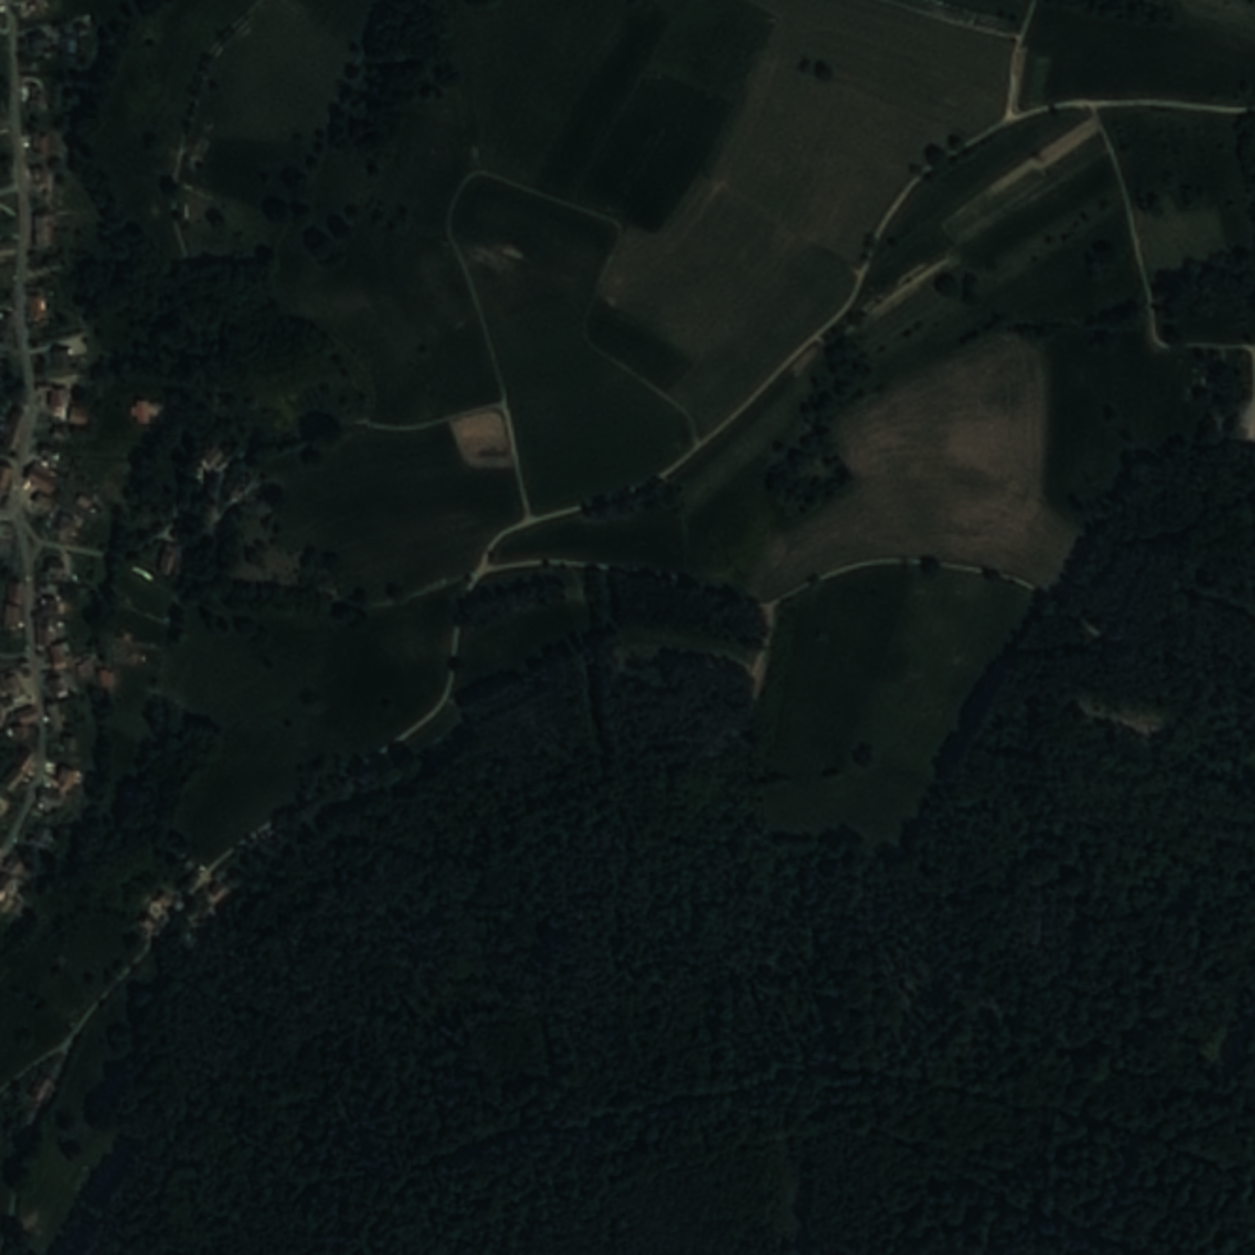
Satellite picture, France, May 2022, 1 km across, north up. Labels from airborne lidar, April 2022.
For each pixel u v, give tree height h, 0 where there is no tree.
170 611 0
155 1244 23
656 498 13
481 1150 24
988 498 0
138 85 0
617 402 0
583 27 0
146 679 0
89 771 0
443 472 0
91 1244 26
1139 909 28
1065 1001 31
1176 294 29
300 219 14
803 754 0
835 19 0
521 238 0
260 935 25
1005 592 0
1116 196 0
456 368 0
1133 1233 28
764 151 0
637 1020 12
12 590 0
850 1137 18
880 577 0
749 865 24
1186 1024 31
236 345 15
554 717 21
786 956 22
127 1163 24
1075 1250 34
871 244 9
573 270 0
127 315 9
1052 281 0
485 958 27
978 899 27
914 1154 14
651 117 0
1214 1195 31
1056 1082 19
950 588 0
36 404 0
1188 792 21
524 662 0
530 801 20
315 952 26
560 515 0
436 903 24
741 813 11
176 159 0
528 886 23
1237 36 0
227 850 0
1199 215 0
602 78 0
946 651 0
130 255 26
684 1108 21
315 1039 21
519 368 0
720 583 0
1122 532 17
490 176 0
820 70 10
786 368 0
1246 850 29
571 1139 21
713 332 0
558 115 0
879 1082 29
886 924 26
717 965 26
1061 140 0
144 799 23
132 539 14
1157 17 8
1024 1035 22
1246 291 17
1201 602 25
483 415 0
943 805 25
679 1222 20
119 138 0
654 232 0
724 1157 17
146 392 0
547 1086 25
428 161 0
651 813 18
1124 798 27
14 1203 0
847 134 0
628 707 23
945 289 15
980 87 0
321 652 0
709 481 0
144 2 15
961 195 0
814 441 11
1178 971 30
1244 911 18
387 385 0
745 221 0
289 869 19
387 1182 25
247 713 0
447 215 0
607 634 21
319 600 14
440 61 16
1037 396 0
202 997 19
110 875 10
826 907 28
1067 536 0
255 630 13
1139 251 0
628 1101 23
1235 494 15
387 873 23
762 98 0
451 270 0
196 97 11
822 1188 17
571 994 26
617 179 0
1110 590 27
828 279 0
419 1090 19
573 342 0
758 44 0
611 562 0
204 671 0
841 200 0
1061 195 0
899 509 0
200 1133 30
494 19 0
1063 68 0
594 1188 21
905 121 0
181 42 0
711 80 0
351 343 0
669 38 0
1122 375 0
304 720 0
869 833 0
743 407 0
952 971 29
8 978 0
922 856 24
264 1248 30
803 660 0
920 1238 28
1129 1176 28
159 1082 23
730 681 27
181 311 24
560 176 0
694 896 25
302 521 0
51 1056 0
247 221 0
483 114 0
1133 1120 18
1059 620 16
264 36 0
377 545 0
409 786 13
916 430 0
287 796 0
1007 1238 32
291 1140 30
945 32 0
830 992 20
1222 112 0
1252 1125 29
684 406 0
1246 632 27
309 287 0
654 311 0
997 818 25
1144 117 0
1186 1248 32
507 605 16
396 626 0
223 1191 28
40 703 0
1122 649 32
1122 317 16
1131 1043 27
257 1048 17
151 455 19
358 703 0
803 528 0
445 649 0
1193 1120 25
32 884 8
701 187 0
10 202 0
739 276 0
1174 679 25
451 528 0
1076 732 18
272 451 12
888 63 0
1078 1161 27
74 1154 17
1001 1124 13
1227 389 21
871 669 0
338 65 0
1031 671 19
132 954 8
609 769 16
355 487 0
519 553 0
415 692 0
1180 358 0
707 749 24
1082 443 0
